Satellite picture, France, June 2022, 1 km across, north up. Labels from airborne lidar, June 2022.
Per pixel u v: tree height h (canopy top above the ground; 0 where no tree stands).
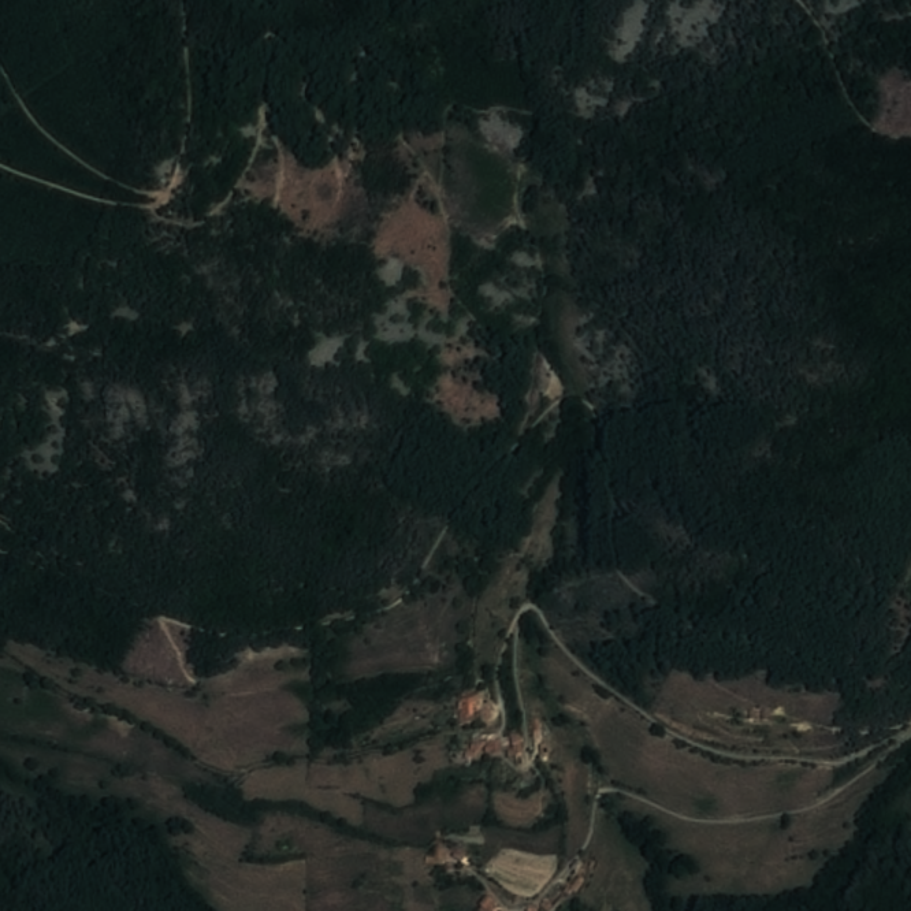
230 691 0
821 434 12
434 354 12
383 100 28
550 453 16
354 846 0
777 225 17
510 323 8
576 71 16
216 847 0
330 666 12
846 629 26
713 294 12
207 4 17
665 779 0
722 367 9
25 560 12
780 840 0
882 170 13
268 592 10
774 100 17
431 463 36
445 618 0
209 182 12
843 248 9
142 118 13
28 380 13
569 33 20
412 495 28
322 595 16
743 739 0
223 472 11
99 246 11
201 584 11
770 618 28
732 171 11
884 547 25
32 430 12
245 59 27
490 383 23
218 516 7
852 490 21
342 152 12
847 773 17
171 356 12
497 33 9
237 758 0
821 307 14
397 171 15
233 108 24
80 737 0
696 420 29
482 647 0
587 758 16
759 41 13
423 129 31
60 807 14
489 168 0
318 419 17
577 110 8
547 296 6
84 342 13
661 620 25
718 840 0
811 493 14
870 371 11
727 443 25
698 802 0
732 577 5
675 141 12
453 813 0
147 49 8
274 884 0
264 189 0
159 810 0
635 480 25
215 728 0
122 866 33
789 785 0
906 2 9
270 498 11
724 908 23
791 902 22
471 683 13
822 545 25
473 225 0
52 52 11
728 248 16
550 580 8
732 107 15
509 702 7
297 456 10
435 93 36
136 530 10
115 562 14
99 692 9
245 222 12
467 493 31
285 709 0
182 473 6
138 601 18
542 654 13
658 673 12
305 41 27
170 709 0
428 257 0
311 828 0
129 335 13
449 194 0
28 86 9
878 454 29
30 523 15
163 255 11
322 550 16
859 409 11
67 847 16
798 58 10
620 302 13
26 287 16
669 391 16
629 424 29
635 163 11
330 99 22
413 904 0
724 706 0
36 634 15
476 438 14
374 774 0
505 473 29
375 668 0
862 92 9
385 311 8
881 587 21
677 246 16
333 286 8
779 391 15
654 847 25
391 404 17
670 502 20
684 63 13
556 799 7
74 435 14
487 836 0
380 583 14
